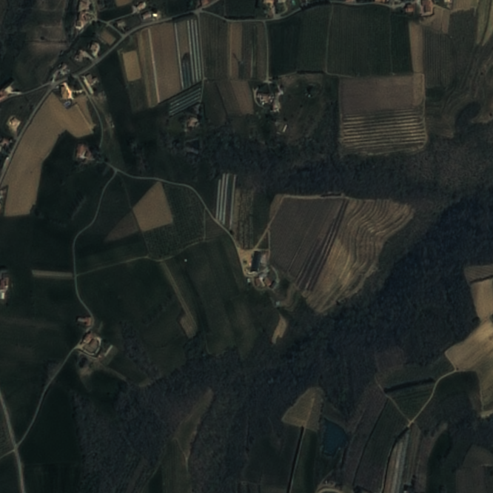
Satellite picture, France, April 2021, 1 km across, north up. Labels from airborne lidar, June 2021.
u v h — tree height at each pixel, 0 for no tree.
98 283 0
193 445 13
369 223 0
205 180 0
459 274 15
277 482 0
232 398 17
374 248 0
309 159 21
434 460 0
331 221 0
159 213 0
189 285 0
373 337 20
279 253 0
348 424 10
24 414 0
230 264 0
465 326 18
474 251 16
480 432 13
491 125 6
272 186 14
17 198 0
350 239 0
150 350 0
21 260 0
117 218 0
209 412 17
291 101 12
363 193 10
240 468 7
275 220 0
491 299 0
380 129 0
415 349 14
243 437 9
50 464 0
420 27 0
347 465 8
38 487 0
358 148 0
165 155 0
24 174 0
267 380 19
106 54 0
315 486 0
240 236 0
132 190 0
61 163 0
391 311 17
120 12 0
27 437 0
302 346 32
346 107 0
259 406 9
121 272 0
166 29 0
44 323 0
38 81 0
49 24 0
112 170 0
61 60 0
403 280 10
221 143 18
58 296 0
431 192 10
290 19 0
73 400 10
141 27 0
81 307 0
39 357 0
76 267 0
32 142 0
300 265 0
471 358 0
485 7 0
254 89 0
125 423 21
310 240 0
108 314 0
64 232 0
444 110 0
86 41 0
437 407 10
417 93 0
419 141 0
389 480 0
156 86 0
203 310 0
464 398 14
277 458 0
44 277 0
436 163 10
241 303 0
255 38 0
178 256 0
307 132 8
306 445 0
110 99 0
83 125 0
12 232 0
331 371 17
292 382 21
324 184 11
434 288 16
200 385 18
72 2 0
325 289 0
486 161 7
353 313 22
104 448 15
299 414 0
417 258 6
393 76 0
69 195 0
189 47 0
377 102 0
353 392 16
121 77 0
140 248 0
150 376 13
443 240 7
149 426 19
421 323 6
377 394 6
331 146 17
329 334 15
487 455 0
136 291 0
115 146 0
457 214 12
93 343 0
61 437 0
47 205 0
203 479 12
